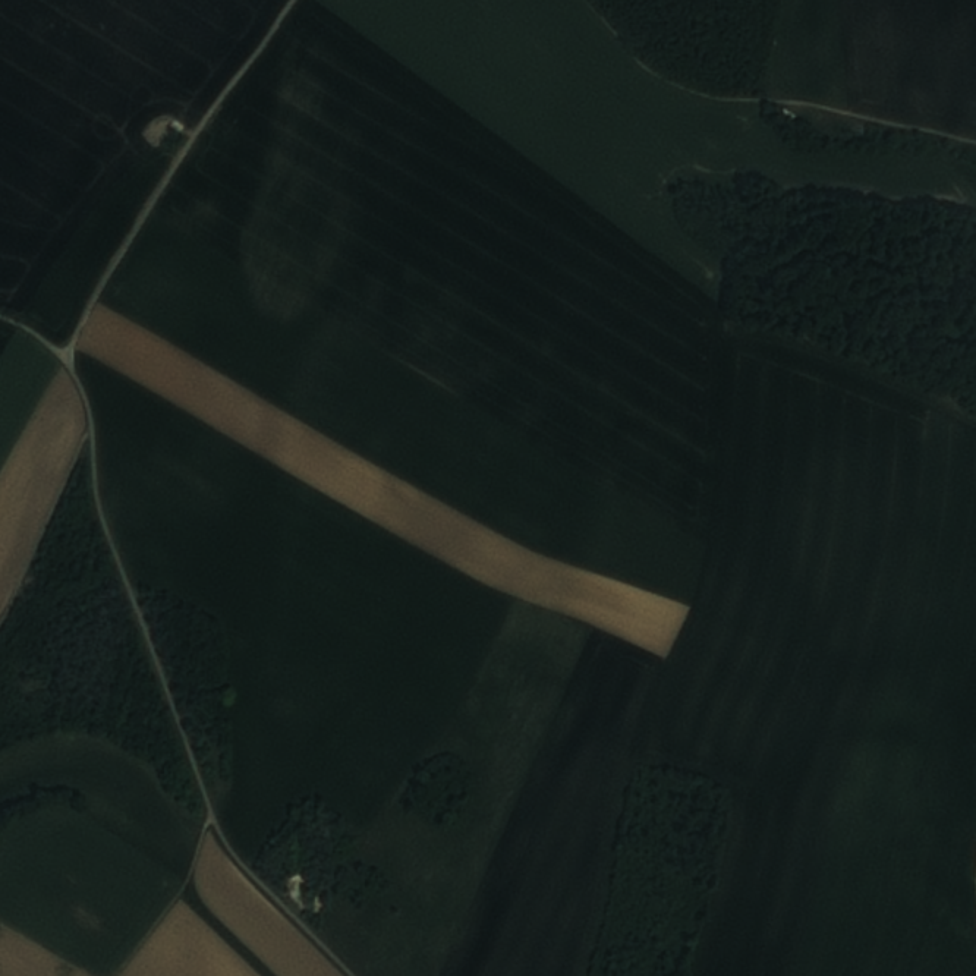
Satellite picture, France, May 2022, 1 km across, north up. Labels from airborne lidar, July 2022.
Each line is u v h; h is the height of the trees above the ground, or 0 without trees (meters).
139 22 0
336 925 0
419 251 0
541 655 0
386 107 0
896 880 0
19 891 0
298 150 0
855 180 0
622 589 0
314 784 0
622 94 0
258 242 0
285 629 0
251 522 0
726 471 0
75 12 0
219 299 0
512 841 0
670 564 0
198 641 21
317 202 0
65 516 11
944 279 31
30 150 0
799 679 0
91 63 0
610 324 0
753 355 0
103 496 0
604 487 0
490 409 0
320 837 13
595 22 0
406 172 0
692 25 21
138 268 0
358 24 0
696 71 18
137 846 0
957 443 0
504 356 0
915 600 0
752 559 0
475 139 0
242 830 0
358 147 0
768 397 0
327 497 0
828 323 20
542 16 0
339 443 0
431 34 0
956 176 0
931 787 0
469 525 0
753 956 0
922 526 0
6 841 0
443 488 0
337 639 0
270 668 0
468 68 0
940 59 0
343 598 0
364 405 0
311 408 0
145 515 0
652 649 0
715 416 0
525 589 0
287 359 0
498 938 0
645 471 0
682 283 0
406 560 0
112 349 0
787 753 0
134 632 11
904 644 0
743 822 0
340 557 0
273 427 0
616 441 0
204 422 0
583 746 0
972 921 0
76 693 21
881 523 0
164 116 0
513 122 0
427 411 0
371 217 0
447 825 14
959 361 25
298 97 0
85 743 0
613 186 0
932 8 0
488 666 0
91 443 0
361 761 0
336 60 0
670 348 0
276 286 0
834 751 0
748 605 0
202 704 16
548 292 0
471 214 0
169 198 0
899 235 29
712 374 0
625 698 0
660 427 0
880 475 0
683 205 10
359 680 0
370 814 0
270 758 0
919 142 11
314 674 0
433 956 0
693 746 0
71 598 15
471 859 0
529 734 0
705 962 0
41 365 0
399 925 0
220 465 0
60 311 0
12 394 0
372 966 0
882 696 0
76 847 0
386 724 0
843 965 0
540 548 0
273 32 0
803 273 25
